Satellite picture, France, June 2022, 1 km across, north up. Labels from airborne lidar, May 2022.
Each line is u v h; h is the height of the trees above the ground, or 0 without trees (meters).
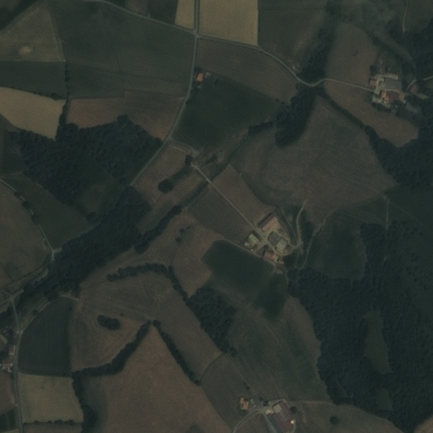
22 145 8
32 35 0
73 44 0
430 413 15
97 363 0
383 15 19
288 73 0
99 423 0
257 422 0
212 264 0
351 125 0
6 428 0
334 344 20
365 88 0
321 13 0
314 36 0
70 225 0
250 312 0
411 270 8
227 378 0
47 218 0
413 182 16
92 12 0
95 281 0
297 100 17
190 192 0
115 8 0
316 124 0
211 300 15
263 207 0
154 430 0
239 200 0
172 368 0
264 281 0
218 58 0
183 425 0
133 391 0
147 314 0
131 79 0
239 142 0
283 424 0
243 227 0
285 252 0
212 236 0
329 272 0
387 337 19
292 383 0
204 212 0
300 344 0
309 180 0
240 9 0
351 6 0
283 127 23
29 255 0
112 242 25
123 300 0
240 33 0
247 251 0
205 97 0
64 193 19
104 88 0
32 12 0
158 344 0
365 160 0
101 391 0
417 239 0
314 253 0
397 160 22
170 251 0
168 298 0
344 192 0
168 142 0
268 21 0
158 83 0
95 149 17
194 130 0
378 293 17
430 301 0
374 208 0
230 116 0
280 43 0
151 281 0
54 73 0
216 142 0
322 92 15
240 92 0
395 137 0
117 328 12
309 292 19
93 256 22
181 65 0
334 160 0
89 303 0
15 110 0
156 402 0
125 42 0
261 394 0
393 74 0
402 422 15
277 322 0
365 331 24
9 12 0
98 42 0
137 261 0
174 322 0
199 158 0
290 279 16
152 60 0
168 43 0
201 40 0
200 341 0
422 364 9
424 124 7
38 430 0
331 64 0
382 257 12
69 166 18
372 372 24
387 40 0
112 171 16
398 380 16
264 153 0
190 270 0
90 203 0
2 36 0
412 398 11
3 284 0
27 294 13
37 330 0
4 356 7
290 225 0
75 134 17
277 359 0
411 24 0
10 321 0
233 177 0
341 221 0
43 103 0
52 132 0
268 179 0
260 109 0
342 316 14
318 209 0
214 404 0
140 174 0
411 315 15
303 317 0
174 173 0
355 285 19
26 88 0
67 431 0
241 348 0
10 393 0
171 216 15
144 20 0
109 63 0
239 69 0
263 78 0
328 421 0
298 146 0
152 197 0
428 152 21
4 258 0
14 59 0
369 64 0
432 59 14
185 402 0
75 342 0
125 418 0
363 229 15
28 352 0
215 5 0
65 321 0
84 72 0
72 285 23
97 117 0
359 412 0
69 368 0
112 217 20
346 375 29
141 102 0
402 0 0
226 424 0
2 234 0
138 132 12
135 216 19
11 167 0
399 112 7
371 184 0
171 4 0
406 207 0
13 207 0
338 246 0
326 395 0
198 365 0
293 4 0
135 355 0
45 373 0
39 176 21
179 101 0
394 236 6
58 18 0
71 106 0
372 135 15
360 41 0
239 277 0
